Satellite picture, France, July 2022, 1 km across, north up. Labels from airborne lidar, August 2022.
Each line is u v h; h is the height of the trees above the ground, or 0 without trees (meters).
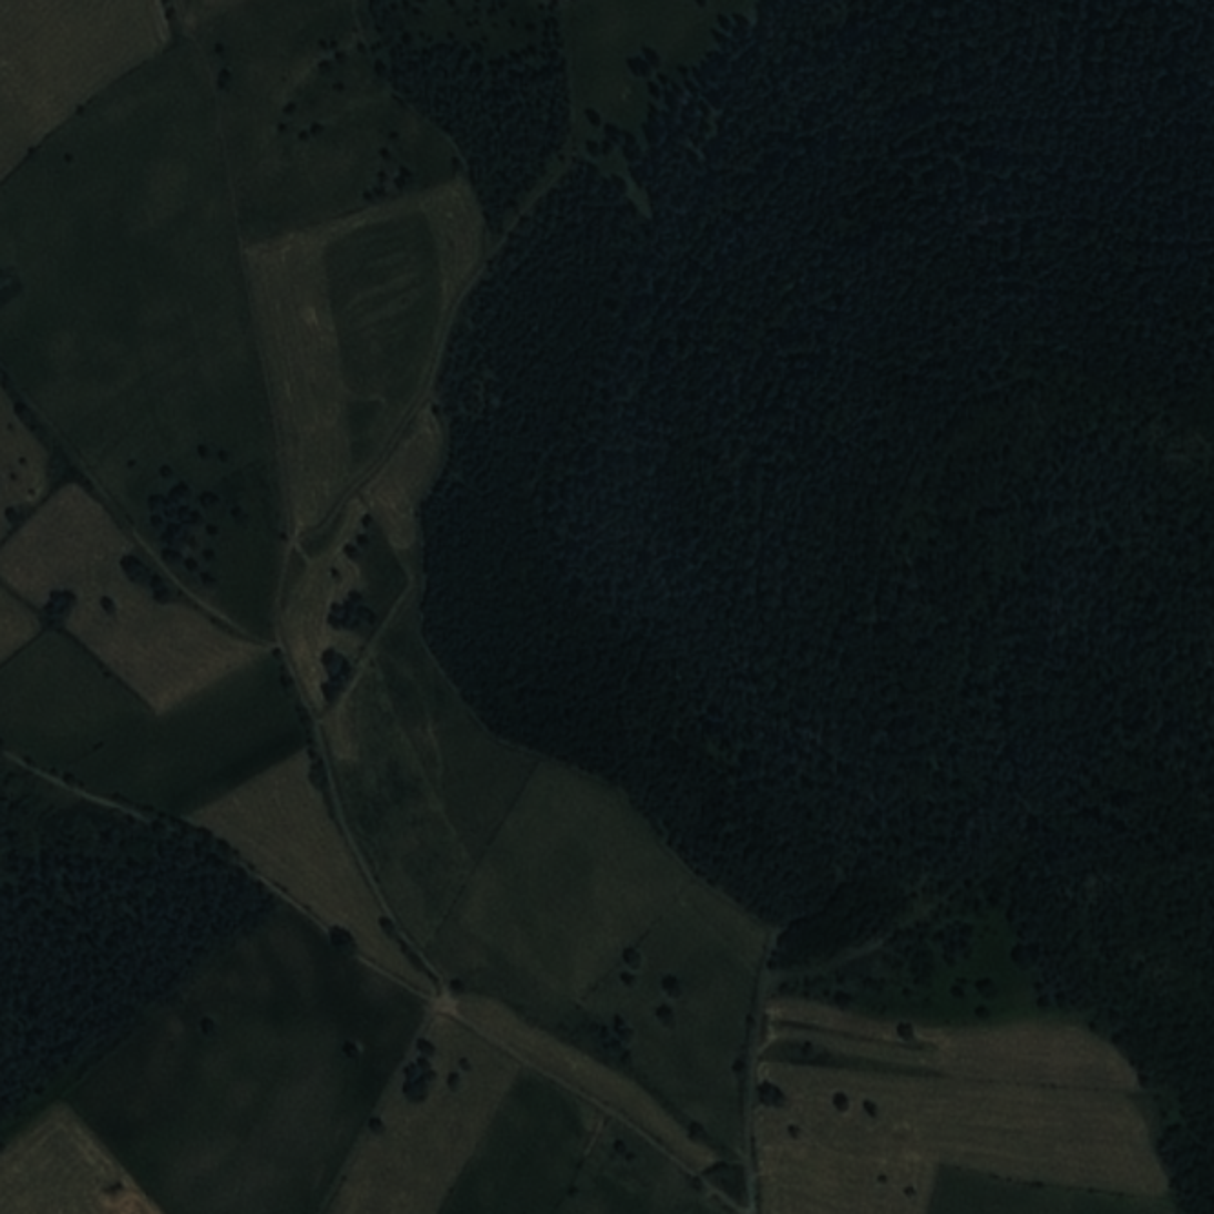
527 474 11
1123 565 13
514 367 11
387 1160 0
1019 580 14
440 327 0
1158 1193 0
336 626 13
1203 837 10
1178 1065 11
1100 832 12
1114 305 18
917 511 14
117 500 0
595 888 0
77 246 0
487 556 11
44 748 0
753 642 19
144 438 0
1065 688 23
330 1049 0
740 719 14
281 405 0
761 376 19
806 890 8
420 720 0
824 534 23
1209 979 9
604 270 11
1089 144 29
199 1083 0
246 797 0
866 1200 0
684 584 24
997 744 15
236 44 0
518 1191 0
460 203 0
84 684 0
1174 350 22
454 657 12
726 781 10
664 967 0
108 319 0
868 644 20
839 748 22
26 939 25
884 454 16
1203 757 12
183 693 0
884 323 23
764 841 10
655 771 11
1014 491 11
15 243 0
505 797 0
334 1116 0
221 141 0
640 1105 0
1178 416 7
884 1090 0
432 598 11
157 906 14
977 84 28
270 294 0
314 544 0
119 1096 0
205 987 0
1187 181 26
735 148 16
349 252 0
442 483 9
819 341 19
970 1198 0
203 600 0
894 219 11
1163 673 17
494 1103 0
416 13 9
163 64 0
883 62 25
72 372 0
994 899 17
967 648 16
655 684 10
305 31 0
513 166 12
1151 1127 0
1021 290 27
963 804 13
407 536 0
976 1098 0
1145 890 11
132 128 0
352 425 0
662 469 24
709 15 0
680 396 24
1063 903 8
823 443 17
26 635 0
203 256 0
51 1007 19
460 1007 0
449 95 17
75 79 0
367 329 0
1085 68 27
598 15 0
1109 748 18
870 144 23
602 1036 10
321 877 0
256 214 0
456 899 0
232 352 0
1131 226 18
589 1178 0
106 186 0
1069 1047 0
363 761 0
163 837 10
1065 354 19
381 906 0
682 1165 0
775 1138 0
